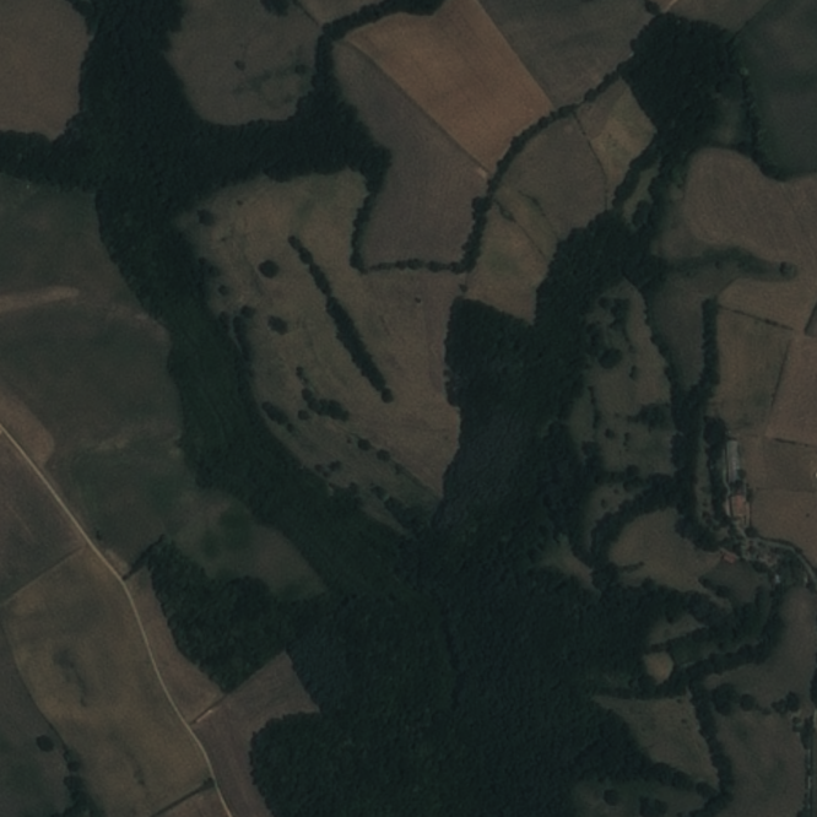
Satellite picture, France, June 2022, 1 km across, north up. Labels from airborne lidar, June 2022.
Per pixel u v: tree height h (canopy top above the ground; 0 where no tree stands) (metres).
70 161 18
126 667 0
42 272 0
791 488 0
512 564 24
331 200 0
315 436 0
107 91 18
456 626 17
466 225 0
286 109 0
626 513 18
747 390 0
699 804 0
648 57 14
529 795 20
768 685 0
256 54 0
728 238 0
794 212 0
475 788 17
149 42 18
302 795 16
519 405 17
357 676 19
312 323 0
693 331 0
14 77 0
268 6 19
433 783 17
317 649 21
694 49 23
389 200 0
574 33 0
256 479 13
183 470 0
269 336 0
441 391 0
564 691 11
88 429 0
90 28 8
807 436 0
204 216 16
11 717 0
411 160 0
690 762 0
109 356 0
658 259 14
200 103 0
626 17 0
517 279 0
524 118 0
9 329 0
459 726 25
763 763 0
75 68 0
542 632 21
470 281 0
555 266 15
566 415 20
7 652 0
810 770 9
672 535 0
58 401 0
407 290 0
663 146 20
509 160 15
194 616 19
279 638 12
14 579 0
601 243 18
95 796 0
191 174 21
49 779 0
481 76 0
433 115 0
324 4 0
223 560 0
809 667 0
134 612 0
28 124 0
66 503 0
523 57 0
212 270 19
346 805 16
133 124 29
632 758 20
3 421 0
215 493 0
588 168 0
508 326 21
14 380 0
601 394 0
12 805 0
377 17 13
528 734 16
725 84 14
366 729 22
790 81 0
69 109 0
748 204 0
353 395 0
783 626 13
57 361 0
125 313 0
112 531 0
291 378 0
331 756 24
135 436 0
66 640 0
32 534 0
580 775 12
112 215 20
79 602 0
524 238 0
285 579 0
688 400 8
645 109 18
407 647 25
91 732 0
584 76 0
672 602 26
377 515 0
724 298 0
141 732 0
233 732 0
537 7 0
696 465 7
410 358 0
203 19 0
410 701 23
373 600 21
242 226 0
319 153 27
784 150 0
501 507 21
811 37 0
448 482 12
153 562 16
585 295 23
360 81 0
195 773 0
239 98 0
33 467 0
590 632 14
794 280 0
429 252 0
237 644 17
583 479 24
